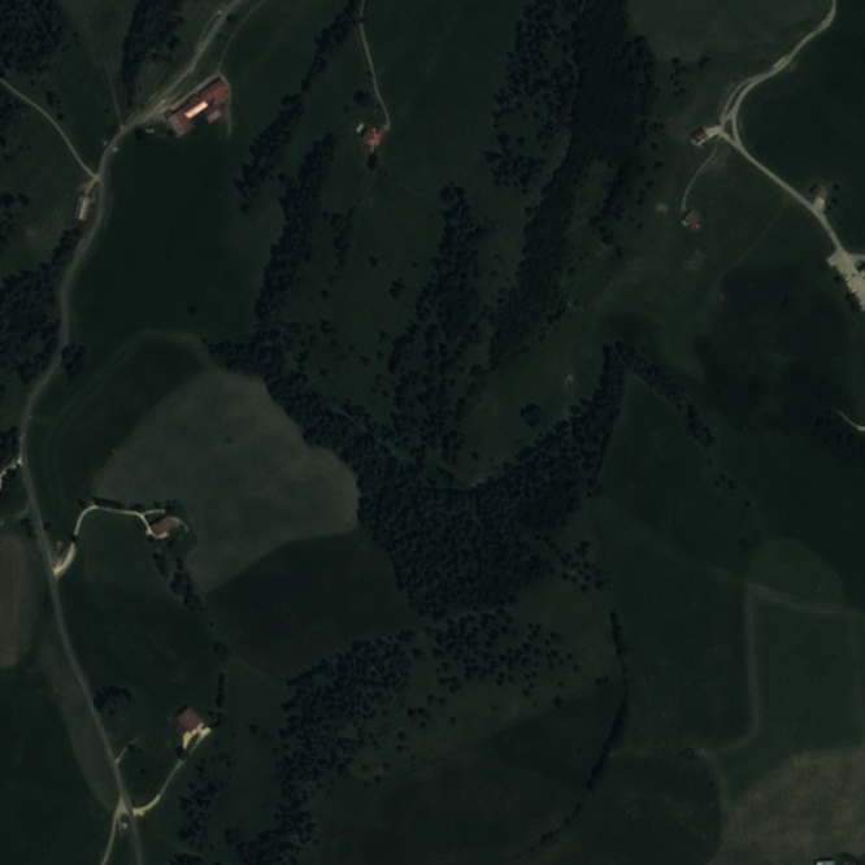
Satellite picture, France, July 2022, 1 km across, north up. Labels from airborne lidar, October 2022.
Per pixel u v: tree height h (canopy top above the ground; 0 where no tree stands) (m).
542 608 0
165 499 0
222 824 0
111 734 0
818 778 0
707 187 0
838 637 0
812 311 0
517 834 0
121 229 0
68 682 0
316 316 0
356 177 0
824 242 0
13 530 0
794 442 0
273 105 0
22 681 0
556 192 15
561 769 0
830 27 0
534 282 18
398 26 0
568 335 0
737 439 0
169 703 0
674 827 0
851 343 0
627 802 0
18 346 19
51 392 0
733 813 0
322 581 0
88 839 0
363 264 0
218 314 0
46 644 0
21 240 0
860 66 0
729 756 0
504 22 0
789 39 0
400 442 14
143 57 14
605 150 24
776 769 0
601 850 0
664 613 0
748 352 0
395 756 0
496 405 0
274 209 0
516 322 21
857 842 0
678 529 0
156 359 0
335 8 0
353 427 29
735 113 0
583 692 0
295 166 0
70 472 0
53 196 0
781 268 0
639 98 11
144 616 0
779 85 0
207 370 0
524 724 0
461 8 0
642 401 0
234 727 0
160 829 0
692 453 0
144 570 0
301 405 26
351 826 0
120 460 0
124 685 0
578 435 10
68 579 0
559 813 0
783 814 0
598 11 17
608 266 0
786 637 0
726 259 0
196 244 0
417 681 0
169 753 0
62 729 0
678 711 0
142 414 0
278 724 0
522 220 0
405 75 0
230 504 0
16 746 0
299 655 0
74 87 0
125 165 0
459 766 0
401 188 0
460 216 20
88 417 0
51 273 18
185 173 0
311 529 0
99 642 0
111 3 0
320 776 19
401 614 0
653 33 0
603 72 24
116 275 0
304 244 21
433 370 7
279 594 0
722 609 0
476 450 0
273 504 0
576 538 0
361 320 0
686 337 0
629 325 0
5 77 26
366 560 0
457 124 0
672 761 0
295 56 0
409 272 0
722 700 0
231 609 0
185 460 0
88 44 0
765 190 0
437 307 20
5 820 0
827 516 0
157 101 0
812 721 0
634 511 0
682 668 0
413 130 0
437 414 11
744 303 0
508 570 14
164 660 0
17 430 13
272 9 0
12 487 10
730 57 0
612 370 22
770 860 0
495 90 0
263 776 0
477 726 0
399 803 0
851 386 0
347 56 0
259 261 0
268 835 10
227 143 0
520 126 0
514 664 16
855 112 0
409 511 19
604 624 0
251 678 0
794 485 0
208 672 0
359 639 0
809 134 0
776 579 0
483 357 0
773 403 0
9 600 0
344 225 17
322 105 0
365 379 0
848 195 0
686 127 0
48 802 0
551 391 0
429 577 14
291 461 0
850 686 0
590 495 6
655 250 0
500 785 0
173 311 0
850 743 0
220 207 0
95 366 0
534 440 0
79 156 0
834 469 0
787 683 0
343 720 10
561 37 16
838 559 0
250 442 0
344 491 0
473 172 0
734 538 0
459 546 24
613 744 12
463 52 0
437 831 0
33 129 0
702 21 0
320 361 0
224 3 0
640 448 0
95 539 0
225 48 0
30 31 10
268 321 25
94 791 0
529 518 10
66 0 0
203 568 0
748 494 0
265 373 13
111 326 0
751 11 0
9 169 0
